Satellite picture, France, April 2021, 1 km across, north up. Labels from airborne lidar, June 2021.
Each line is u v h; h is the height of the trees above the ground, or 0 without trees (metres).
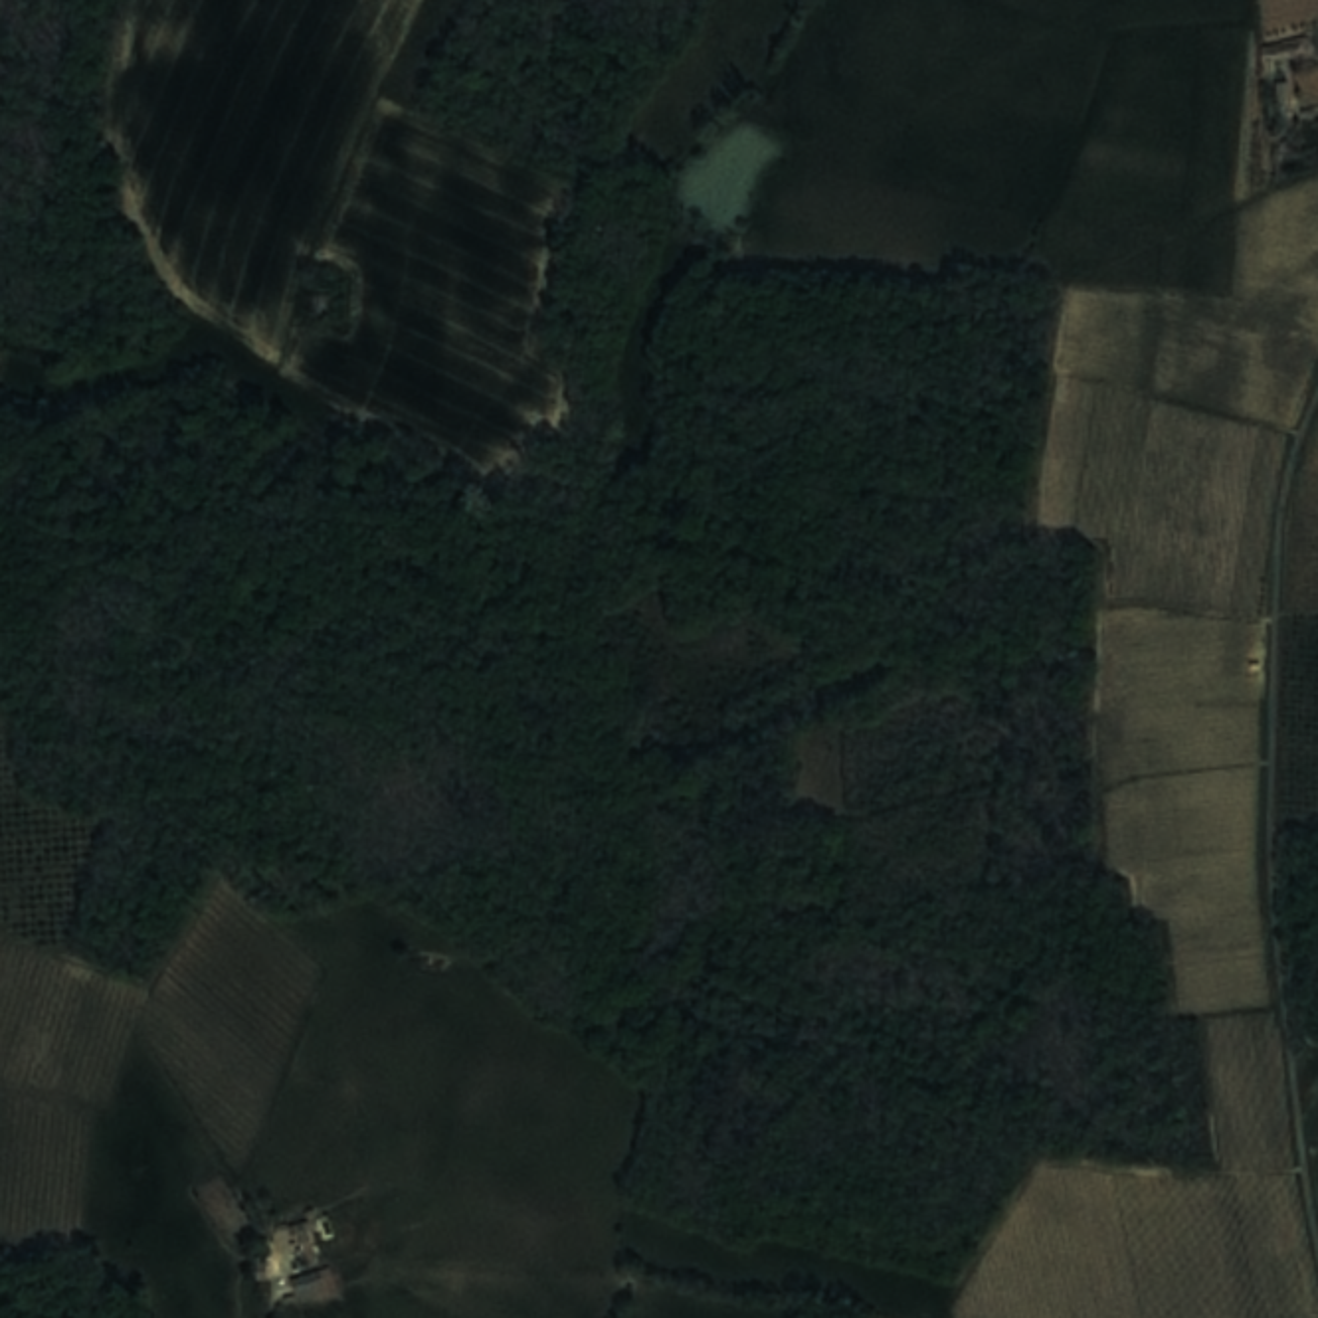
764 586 21
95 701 17
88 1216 0
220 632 18
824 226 0
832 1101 19
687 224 16
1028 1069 17
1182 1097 15
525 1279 0
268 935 0
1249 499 0
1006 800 16
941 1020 14
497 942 21
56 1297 23
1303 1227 0
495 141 13
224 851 21
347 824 22
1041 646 23
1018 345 21
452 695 19
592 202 27
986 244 0
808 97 0
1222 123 0
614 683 19
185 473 24
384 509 27
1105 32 0
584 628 24
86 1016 0
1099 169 0
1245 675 0
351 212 0
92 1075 0
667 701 6
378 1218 0
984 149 0
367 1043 0
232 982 0
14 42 20
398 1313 0
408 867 19
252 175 0
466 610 15
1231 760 0
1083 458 0
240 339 0
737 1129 12
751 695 9
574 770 19
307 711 17
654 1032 29
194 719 17
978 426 24
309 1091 0
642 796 18
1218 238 0
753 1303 16
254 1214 14
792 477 24
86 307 15
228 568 22
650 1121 15
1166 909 0
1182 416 0
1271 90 8
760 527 27
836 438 23
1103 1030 19
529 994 17
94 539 18
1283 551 0
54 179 19
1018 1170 16
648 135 0
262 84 0
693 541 19
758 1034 16
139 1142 0
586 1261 0
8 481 18
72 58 23
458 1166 0
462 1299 0
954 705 9
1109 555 0
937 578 21
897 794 7
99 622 21
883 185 0
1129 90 0
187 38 0
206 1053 0
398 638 24
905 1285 0
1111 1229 0
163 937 23
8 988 0
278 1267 0
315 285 11
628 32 25
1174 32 0
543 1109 0
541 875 20
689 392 25
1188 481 0
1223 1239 0
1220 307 0
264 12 0
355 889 21
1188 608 0
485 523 22
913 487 21
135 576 20
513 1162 0
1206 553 0
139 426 19
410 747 17
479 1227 0
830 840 22
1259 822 0
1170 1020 13
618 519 26
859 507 22
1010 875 14
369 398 0
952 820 10
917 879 11
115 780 17
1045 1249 0
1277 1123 0
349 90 0
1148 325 0
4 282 19
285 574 22
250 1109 0
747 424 23
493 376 0
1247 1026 0
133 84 0
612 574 21
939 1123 20
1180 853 0
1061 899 22
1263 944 0
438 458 20
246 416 19
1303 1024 14
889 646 23
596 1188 0
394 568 24
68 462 27
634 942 23
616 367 22
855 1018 18
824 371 24
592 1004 25
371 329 0
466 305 0
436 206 0
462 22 17
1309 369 0
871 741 7
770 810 20
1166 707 0
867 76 0
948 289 15
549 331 21
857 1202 23
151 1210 0
